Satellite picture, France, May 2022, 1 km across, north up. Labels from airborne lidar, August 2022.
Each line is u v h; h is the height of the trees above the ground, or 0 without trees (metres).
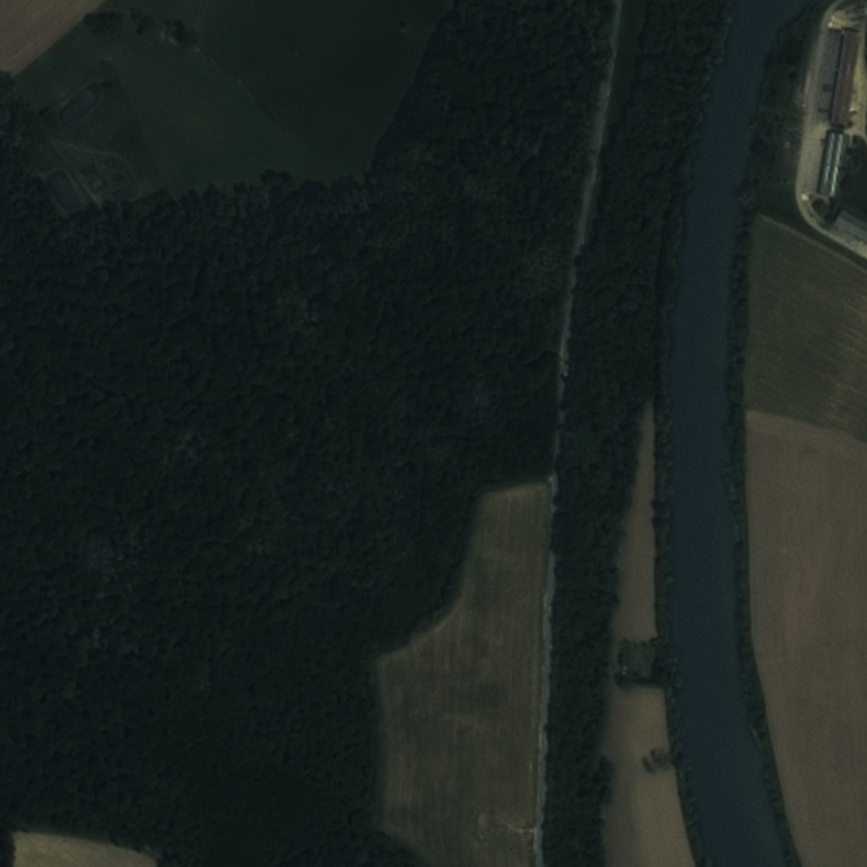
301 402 29
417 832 0
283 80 0
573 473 23
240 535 24
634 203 18
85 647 16
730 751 0
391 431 23
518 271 24
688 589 0
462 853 0
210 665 23
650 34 15
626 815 0
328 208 29
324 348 30
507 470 19
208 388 27
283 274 28
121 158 0
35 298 21
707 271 0
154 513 25
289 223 26
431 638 0
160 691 22
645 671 0
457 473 17
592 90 21
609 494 22
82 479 25
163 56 0
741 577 13
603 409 21
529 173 25
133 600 16
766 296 0
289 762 26
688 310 0
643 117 22
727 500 0
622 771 0
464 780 0
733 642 0
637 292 24
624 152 14
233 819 19
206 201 8
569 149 24
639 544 0
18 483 27
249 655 20
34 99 0
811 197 0
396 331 26
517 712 0
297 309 26
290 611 24
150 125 0
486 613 0
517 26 24
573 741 18
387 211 23
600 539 32
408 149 30
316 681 21
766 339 0
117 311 27
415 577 16
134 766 28
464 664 0
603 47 19
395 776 0
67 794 27
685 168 23
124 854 0
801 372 0
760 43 0
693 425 0
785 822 14
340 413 23
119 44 0
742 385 12
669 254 17
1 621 28
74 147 0
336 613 20
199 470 28
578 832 20
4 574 25
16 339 25
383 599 17
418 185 19
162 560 24
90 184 0
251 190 23
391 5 0
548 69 28
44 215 17
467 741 0
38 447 29
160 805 26
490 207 25
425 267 19
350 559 23
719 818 0
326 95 0
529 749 0
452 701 0
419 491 23
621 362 21
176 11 0
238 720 24
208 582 23
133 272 28
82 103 0
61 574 25
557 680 18
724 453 0
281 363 32
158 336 27
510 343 20
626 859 0
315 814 17
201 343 28
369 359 26
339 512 21
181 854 24
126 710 27
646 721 0
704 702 0
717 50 15
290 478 23
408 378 24
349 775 28
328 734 26
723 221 0
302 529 31
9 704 27
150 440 24
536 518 0
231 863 17
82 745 28
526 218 21
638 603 0
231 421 26
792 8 0
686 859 0
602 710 12
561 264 21
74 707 29
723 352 0
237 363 27
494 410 19
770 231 0
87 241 20
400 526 25
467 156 19
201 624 25
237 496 20
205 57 0
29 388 29
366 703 22
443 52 24
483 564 0
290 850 20
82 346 31
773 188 0
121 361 22
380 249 18
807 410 0
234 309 24
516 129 26
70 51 0
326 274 28
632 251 24
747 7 0
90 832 20
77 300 28
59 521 25
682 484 0
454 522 18
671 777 0
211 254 31
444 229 25
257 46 0
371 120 0
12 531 28
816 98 0
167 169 0
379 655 0
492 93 21
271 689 23
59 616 22
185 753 18
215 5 0
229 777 20
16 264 24
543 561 0
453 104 13
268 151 0
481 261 25
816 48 0
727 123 0
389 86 0
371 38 0
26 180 15
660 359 18
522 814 0
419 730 0
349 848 30
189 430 21
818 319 0
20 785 30
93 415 27
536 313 24
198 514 27
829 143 0
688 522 0
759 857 0
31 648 29
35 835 0
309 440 19
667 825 0
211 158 0
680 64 29
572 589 16
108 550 26
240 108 0
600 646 28
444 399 17
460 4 15
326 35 0
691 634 0
